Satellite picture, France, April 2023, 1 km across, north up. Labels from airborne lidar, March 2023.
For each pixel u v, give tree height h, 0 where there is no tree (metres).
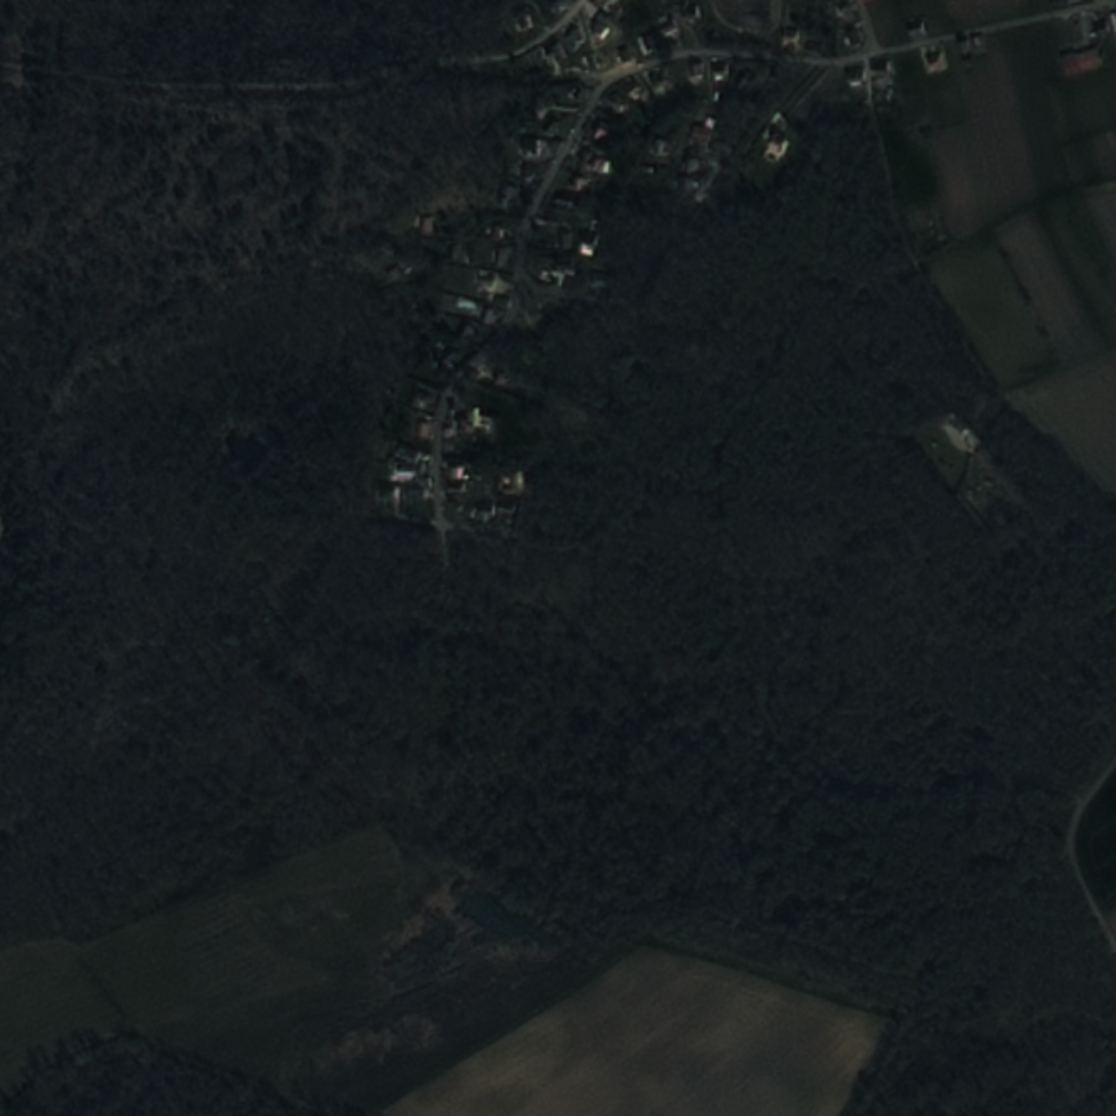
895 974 17
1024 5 0
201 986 0
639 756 29
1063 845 19
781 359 17
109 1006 0
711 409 28
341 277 7
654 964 0
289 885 0
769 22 20
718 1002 0
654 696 26
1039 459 22
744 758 27
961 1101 27
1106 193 0
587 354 21
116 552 17
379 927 0
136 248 8
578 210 12
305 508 28
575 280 21
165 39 20
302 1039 0
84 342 13
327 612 29
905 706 22
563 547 20
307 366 27
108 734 13
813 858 22
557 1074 0
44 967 0
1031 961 26
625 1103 0
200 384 19
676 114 23
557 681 19
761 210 27
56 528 16
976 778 22
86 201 12
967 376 17
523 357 23
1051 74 0
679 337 20
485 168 16
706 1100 0
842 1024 0
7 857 16
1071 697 23
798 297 27
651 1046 0
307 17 18
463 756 25
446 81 23
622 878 20
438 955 8
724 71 0
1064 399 0
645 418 26
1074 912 21
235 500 29
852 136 24
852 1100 0
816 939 18
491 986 0
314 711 28
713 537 24
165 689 20
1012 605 22
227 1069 0
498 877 19
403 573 27
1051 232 0
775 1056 0
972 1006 17
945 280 0
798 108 0
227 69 16
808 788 23
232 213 5
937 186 0
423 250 26
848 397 25
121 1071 16
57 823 23
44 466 14
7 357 13
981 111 0
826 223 25
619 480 30
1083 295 0
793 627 23
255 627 32
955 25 0
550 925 17
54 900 20
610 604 23
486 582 22
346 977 0
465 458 10
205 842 24
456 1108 0
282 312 17
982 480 0
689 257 23
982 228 0
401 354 30
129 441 23
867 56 0
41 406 12
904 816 27
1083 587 24
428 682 28
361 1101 0
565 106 0
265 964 0
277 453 25
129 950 0
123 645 17
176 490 24
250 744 25
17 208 8
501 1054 0
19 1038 0
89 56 13
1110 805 0
